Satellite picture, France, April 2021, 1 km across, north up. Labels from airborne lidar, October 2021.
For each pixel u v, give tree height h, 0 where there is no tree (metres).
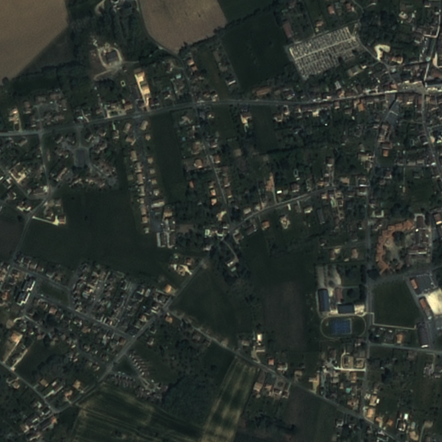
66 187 0
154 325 8
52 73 20
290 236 0
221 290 0
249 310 0
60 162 6
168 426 0
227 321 0
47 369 17
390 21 10
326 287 13
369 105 7
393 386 8
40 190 0
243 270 13
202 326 0
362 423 15
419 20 6
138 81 0
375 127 5
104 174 0
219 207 11
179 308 0
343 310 0
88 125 10
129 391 0
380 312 0
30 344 8
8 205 0
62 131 0
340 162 24
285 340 0
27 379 0
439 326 0
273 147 0
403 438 7
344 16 7
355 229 5
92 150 8
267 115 0
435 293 0
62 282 8
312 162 7
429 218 13
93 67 0
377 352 0
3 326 8
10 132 0
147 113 0
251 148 18
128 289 0
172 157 0
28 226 0
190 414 22
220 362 0
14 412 8
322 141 13
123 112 0
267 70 0
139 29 23
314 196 0
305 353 0
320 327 0
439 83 0
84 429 0
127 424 0
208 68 0
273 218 0
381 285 7
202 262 0
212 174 11
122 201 0
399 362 9
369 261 15
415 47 8
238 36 0
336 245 0
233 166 7
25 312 0
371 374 0
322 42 0
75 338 12
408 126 6
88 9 0
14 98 11
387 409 0
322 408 0
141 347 0
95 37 0
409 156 7
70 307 0
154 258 0
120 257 0
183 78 5
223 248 17
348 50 0
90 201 0
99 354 0
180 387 13
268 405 7
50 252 0
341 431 7
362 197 7
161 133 0
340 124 11
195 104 0
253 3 0
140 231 0
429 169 9
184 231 0
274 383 0
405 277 0
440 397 10
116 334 0
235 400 0
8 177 0
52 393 0
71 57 0
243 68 0
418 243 0
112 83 11
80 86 19
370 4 0
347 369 0
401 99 0
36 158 12
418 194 0
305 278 0
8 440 11
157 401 8
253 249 0
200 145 0
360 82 7
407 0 8
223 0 0
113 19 14
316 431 0
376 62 9
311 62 0
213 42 7
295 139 14
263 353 0
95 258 0
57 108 0
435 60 0
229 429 0
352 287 0
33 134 0
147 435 11
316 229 0
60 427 6
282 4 11
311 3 0
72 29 26
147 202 0
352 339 10
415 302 0
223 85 0
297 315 0
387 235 0
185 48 8
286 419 0
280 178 13
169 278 0
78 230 0
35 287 0
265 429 13
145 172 0
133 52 13
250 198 10
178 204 10
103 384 0
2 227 0
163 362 9
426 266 0
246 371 0
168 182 0
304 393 0
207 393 14
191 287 0
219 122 0
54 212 0
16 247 0
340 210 6
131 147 0
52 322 18
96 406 0
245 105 0
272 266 0
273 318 0
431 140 0
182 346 8
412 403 7
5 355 0
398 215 23
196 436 0
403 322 0
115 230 0
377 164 0
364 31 11
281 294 0
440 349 0
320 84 16
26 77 8
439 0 0
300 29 7
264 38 0
